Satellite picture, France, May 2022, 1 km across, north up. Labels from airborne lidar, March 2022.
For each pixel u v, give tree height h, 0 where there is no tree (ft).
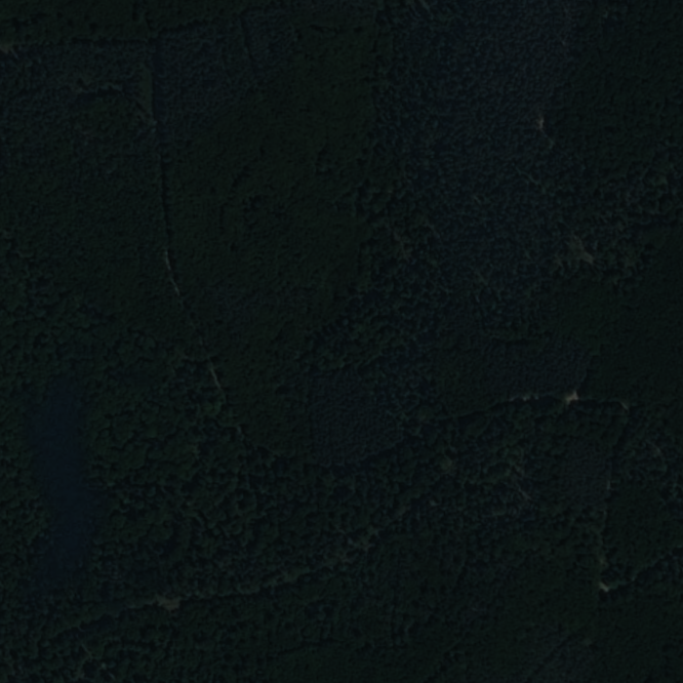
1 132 63
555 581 67
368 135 103
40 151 77
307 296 82
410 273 113
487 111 104
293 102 73
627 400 54
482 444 105
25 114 92
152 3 66
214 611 78
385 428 88
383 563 45
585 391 63
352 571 41
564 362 79
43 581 91
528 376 73
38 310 99
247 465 101
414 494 56
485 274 84
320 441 91
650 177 79
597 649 55
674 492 69
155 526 106
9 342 94
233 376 78
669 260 62
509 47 100
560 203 30
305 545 113
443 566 84
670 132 88
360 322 94
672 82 91
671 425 66
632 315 59
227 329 80
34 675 26
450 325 64
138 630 36
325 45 77
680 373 67
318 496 108
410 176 39
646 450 90
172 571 68
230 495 112
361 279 47
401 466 98
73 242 78
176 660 39
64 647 85
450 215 103
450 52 96
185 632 37
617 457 82
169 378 107
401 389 99
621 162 84
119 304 76
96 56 94
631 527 62
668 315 64
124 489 121
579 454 75
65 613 87
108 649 51
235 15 71
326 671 72
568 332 37
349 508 95
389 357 87
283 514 96
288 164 63
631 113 90
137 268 68
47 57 92
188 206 63
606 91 92
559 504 55
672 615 60
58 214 74
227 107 72
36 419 95
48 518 90
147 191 69
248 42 106
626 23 94
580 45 80
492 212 23
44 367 101
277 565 92
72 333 99
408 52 51
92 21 53
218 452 95
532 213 84
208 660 38
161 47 95
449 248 79
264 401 68
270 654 38
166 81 110
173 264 73
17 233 66
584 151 88
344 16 92
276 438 72
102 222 66
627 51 92
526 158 60
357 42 81
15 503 88
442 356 60
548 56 91
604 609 57
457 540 45
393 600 24
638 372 68
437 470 94
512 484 81
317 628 37
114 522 110
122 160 74
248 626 43
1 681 71
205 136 72
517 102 93
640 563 50
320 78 71
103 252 70
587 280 35
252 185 79
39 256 64
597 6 94
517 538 91
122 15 64
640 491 58
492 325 77
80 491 100
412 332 84
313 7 105
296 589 33
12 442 96
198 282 75
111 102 68
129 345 96
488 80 96
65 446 97
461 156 92
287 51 77
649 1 88
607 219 35
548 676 82
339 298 60
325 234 63
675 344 64
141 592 92
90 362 101
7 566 79
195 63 94
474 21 96
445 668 87
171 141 71
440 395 48
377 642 35
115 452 106
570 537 100
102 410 100
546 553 51
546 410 85
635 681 58
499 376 73
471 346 55
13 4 53
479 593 79
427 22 114
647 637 59
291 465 92
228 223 73
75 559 94
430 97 26
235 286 70
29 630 101
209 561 58
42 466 94
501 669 71
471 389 52
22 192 66
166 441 109
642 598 62
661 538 58
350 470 115
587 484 82
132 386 107
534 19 94
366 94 74
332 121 81
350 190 61
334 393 103
